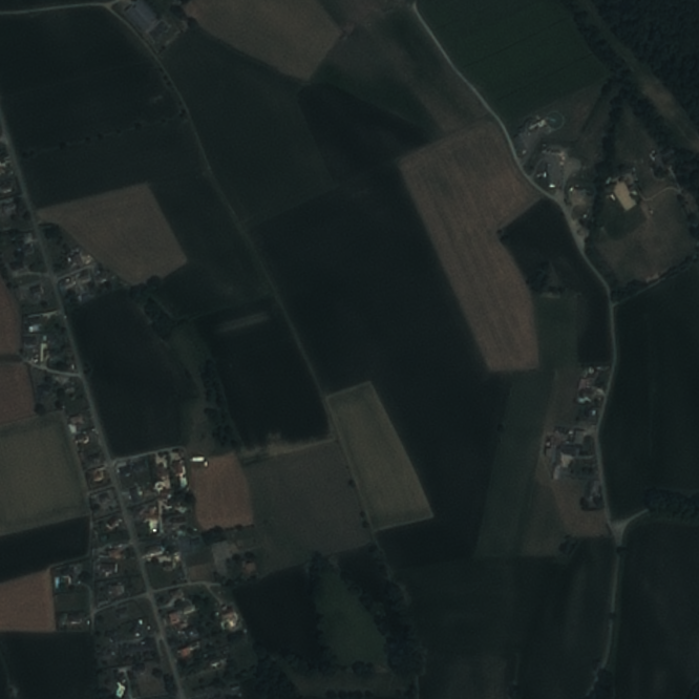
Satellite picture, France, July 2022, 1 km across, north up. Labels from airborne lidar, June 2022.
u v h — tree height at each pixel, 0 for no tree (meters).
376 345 0
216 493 0
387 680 0
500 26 0
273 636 0
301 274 0
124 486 0
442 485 0
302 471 0
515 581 0
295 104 0
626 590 0
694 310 0
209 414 11
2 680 0
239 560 14
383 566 10
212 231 0
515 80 0
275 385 0
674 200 0
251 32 0
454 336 0
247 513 0
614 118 16
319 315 0
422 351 0
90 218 0
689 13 29
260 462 0
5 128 0
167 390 0
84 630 0
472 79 0
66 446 0
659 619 0
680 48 33
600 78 0
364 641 0
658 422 0
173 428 0
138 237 0
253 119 0
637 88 18
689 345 0
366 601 19
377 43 0
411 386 0
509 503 0
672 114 0
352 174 0
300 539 0
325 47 0
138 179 0
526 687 0
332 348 0
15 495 0
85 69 0
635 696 0
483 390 0
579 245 0
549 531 0
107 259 0
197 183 0
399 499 0
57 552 0
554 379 0
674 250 0
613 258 0
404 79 0
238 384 0
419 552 0
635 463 0
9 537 0
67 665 0
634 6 26
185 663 20
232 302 0
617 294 7
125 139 0
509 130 0
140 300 19
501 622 0
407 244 0
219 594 0
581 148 0
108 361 0
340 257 0
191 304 0
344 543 0
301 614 0
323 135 0
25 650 0
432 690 0
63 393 6
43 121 0
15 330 0
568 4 7
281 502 0
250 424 0
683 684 0
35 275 0
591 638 0
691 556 0
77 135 0
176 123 0
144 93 0
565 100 0
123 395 0
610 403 0
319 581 20
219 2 0
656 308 0
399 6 0
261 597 0
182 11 19
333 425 0
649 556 0
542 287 16
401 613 16
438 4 0
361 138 0
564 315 0
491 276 0
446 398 0
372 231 0
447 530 0
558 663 0
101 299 0
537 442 0
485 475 0
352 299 0
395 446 0
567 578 0
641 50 23
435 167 0
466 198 0
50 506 0
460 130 0
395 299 0
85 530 0
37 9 0
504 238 10
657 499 32
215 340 0
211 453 0
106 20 0
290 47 0
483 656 0
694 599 0
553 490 0
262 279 0
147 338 0
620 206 0
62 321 0
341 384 0
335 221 0
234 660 8
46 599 0
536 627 0
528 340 0
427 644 0
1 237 10
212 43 0
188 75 0
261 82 0
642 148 0
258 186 0
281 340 0
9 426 0
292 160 0
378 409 0
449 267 0
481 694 0
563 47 0
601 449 0
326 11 0
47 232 12
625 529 0
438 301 0
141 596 0
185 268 0
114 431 0
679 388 0
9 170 0
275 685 24
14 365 0
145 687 0
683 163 12
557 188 0
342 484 0
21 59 0
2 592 0
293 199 0
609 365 0
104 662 9
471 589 0
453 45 0
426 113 0
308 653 0
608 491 0
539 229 0
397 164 0
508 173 0
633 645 0
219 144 0
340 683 0
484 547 0
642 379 0
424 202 0
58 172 0
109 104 0
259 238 0
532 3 0
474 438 0
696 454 0
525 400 0
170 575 0
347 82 0
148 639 9
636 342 0
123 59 0
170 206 0
